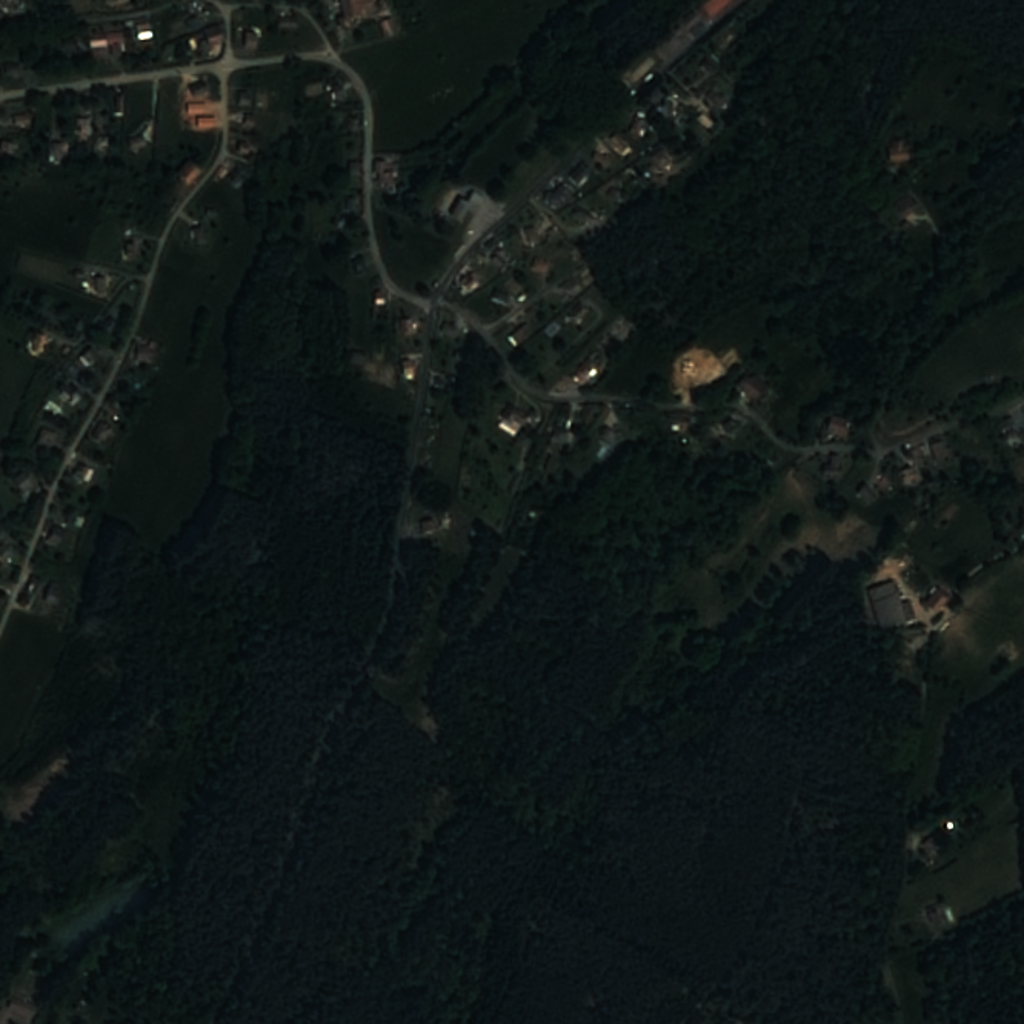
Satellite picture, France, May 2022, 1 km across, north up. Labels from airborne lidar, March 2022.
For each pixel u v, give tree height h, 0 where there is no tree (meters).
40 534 0
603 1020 19
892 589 0
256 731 25
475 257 0
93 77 6
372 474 14
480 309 0
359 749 30
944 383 0
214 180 0
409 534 0
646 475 22
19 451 16
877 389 12
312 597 18
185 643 19
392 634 19
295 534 17
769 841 15
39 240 0
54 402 0
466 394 19
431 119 0
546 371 0
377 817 28
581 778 27
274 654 21
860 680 19
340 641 9
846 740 23
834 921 31
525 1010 16
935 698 0
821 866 29
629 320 8
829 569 26
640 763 26
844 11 27
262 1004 27
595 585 28
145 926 19
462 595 26
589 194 0
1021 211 20
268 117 0
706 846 17
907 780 27
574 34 26
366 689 22
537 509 7
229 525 29
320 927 34
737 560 0
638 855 27
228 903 22
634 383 0
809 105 21
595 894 12
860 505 0
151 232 0
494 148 0
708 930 15
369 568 14
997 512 7
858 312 32
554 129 21
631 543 22
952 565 0
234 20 0
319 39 0
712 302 9
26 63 10
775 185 23
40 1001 13
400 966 31
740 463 15
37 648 0
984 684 0
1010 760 26
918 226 0
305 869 28
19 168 11
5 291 9
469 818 21
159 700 12
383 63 0
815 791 22
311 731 22
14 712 0
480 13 0
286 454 28
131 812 23
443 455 0
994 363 0
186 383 0
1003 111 0
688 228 23
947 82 0
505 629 28
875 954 27
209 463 0
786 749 21
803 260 0
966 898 0
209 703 20
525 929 18
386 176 0
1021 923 19
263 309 24
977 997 21
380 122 0
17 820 0
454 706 24
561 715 32
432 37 0
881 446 0
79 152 8
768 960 25
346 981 34
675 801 23
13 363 0
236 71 0
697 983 16
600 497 22
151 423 0
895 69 21
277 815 23
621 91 25
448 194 0
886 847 24
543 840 19
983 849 0
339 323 21
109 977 13
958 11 25
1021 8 28
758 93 20
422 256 0
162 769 7
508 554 0
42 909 21
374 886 34
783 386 0
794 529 15
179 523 0
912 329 21
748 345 0
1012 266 0
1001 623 0
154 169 11
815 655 21
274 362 25
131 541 30
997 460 0
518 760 31
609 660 25
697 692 22
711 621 0
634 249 22
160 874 16
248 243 0
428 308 0
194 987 20
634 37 25
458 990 29
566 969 18
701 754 28
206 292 0
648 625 25
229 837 24
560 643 35
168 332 0
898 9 26
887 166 7
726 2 0
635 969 21
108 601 17
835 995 26
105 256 0
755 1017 16
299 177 0
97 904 0
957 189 8
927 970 21
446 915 30
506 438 0
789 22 22
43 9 11
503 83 22
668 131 17
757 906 15
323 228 0
